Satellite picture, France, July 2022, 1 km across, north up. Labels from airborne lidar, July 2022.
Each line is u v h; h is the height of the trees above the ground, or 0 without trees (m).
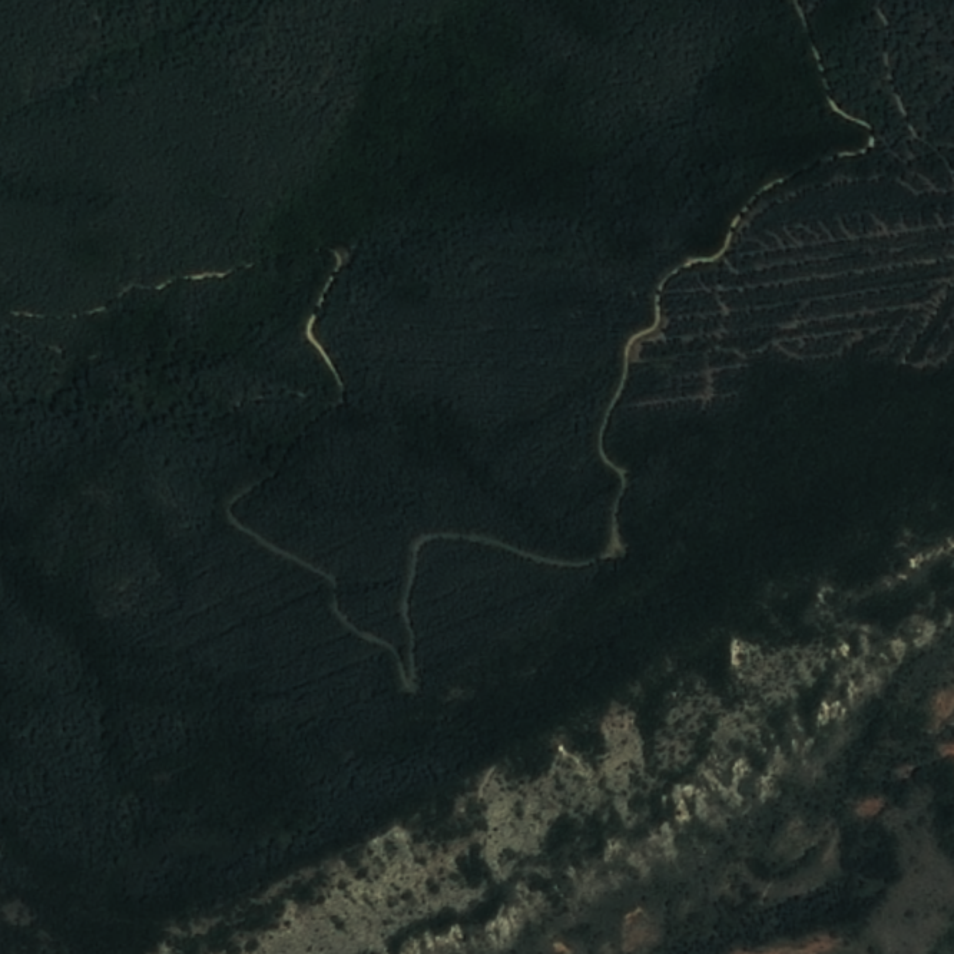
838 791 8
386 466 9
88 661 12
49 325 11
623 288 8
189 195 10
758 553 10
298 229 13
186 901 9
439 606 11
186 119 9
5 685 9
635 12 14
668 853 0
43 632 15
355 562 11
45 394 18
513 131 15
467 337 9
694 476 8
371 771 16
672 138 16
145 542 7
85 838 8
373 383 14
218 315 13
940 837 5
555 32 13
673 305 14
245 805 7
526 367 10
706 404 12
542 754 6
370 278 15
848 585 7
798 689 7
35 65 7
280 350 11
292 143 9
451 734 10
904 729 5
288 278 18
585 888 0
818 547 7
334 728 12
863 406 10
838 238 15
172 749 8
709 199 13
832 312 14
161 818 14
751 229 8
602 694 6
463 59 15
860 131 16
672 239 11
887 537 8
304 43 11
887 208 11
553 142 14
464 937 6
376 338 9
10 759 15
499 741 9
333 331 11
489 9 10
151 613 8
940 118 14
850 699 0
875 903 5
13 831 11
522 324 10
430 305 10
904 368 9
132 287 9
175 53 7
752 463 9
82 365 16
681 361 7
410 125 15
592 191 15
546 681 10
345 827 7
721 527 8
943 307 10
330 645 10
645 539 8
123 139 8
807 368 9
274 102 9
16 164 9
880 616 7
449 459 15
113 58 11
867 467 9
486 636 8
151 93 10
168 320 12
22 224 9
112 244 9
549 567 8
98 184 10
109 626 8
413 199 14
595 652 8
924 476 8
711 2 14
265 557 11
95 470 9
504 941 0
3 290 9
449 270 12
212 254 10
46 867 8
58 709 16
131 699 8
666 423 11
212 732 9
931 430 12
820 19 13
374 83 13
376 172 13
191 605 12
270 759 9
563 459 6
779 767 0
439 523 8
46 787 10
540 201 19
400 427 16
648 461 10
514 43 12
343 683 10
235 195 9
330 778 11
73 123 11
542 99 11
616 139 17
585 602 6
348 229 10
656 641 8
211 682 11
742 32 12
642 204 16
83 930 8
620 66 10
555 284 10
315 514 9
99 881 12
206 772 9
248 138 11
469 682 8
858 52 14
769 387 6
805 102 14
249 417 10
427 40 13
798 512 12
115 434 9
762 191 7
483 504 8
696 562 11
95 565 10
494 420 11
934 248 11
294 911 0
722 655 7
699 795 0
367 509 8
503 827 0
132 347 15
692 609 9
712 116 19
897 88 14
